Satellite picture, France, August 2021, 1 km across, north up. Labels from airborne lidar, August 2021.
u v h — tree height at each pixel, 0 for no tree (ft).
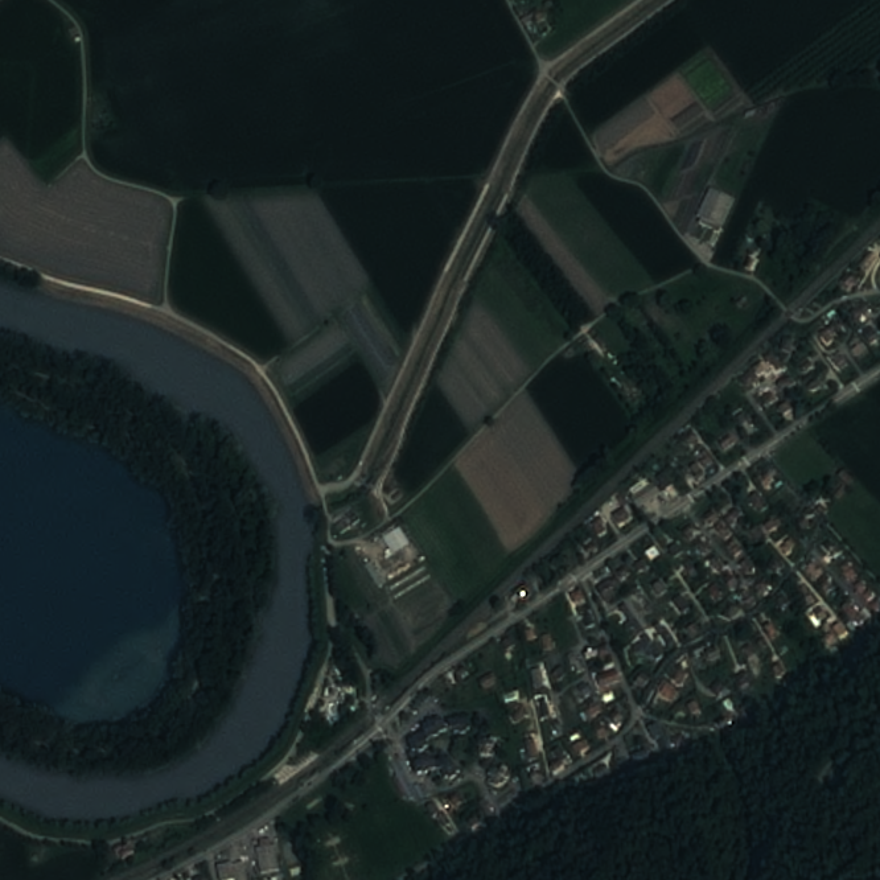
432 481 0
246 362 0
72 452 0
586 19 0
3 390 65
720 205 0
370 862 0
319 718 39
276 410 0
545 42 0
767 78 21
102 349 0
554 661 0
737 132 0
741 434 44
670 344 51
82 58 0
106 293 0
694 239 0
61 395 73
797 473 0
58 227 0
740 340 0
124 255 0
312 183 52
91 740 73
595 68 21
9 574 0
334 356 0
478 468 0
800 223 35
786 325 21
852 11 20
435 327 0
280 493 0
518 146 0
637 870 70
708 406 31
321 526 73
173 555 0
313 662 48
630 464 0
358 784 38
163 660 0
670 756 18
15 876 0
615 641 20
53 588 0
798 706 98
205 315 0
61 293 0
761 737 91
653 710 20
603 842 83
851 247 0
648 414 53
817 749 70
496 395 0
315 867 95
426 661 0
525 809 71
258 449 0
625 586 20
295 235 0
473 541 0
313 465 0
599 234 0
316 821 54
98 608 0
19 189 0
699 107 0
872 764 61
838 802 68
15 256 0
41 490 0
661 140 0
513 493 0
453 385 0
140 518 0
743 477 51
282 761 0
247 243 0
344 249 0
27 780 0
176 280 0
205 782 0
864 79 48
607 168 0
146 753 89
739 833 42
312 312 0
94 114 0
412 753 39
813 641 32
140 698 0
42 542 0
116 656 0
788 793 69
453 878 54
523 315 0
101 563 0
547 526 0
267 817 0
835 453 25
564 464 0
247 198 0
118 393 101
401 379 0
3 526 0
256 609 24
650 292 0
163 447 83
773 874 90
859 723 71
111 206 0
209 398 0
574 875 80
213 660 90
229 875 0
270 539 23
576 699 0
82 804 0
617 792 69
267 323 0
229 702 71
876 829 90
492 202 0
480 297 0
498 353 0
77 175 0
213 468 110
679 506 0
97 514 0
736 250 21
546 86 0
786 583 26
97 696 0
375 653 96
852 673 63
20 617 0
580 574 0
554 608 0
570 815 106
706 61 0
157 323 0
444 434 0
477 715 36
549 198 0
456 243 0
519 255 22
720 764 76
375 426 0
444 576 0
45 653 0
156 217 0
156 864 0
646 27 22
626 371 41
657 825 76
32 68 0
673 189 0
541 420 0
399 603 0
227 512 114
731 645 0
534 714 0
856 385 0
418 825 0
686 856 87
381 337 0
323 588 0
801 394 41
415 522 0
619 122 0
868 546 0
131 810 0
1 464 0
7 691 0
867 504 0
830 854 56
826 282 0
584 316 44
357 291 0
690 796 55
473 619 0
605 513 0
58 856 0
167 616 0
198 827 31
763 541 23
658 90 0
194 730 92
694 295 0
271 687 0
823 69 23
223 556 100
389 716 0
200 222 0
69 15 0
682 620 24
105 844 37
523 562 0
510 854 94
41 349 62
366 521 0
